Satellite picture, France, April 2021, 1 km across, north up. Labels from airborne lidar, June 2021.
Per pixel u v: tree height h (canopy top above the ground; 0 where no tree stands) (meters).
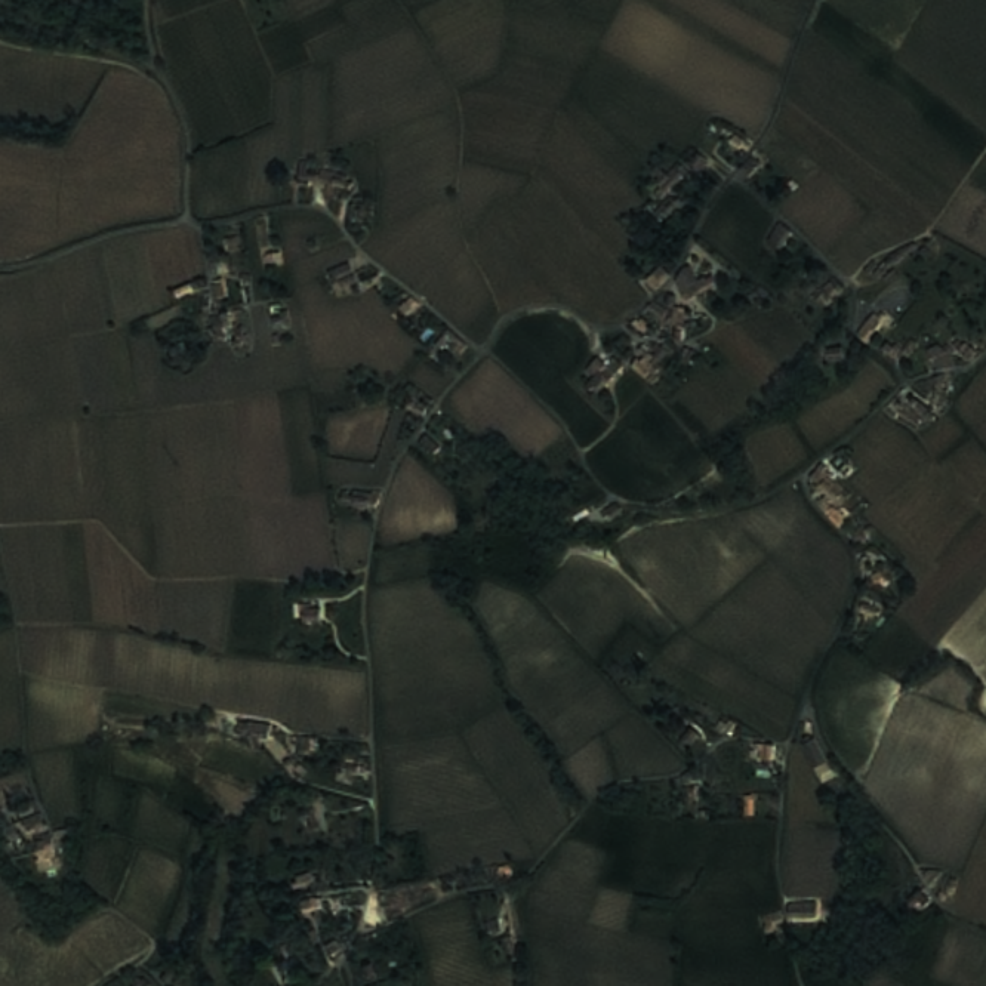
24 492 0
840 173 0
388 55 0
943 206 0
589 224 0
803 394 18
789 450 0
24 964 0
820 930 8
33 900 15
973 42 0
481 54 0
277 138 0
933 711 0
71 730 0
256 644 0
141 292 0
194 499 0
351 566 0
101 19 11
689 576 0
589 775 0
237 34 0
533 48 0
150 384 0
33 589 0
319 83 0
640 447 0
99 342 0
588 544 8
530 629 0
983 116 0
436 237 0
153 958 0
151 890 0
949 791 0
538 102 0
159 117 0
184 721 12
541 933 0
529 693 0
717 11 0
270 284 8
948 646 0
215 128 0
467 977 0
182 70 0
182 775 0
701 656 0
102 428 0
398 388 6
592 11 0
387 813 0
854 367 13
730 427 0
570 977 0
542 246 0
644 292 0
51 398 0
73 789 0
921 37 0
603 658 0
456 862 0
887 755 0
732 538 0
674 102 0
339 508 0
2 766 9
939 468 0
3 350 0
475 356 0
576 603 0
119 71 0
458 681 0
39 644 0
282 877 0
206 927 9
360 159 0
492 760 0
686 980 0
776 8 0
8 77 0
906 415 0
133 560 0
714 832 0
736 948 0
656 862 0
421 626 0
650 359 0
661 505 10
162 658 0
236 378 0
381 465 0
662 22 0
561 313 0
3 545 0
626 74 0
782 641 0
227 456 0
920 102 0
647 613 0
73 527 0
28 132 12
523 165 0
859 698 0
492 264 0
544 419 0
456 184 0
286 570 0
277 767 9
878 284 0
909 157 0
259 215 0
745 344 0
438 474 0
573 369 0
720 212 0
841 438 0
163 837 0
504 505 22
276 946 15
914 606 0
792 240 9
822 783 0
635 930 0
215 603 0
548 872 0
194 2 0
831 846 0
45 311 0
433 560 0
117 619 0
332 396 0
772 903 0
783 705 0
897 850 0
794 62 0
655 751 0
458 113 0
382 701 0
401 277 0
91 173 0
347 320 0
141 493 0
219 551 0
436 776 0
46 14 9
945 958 0
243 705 0
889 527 0
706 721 9
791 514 0
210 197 0
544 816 0
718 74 0
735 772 0
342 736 7
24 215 0
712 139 0
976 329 18
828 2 0
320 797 8
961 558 0
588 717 0
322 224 0
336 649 8
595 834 0
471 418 0
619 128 0
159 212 0
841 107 0
